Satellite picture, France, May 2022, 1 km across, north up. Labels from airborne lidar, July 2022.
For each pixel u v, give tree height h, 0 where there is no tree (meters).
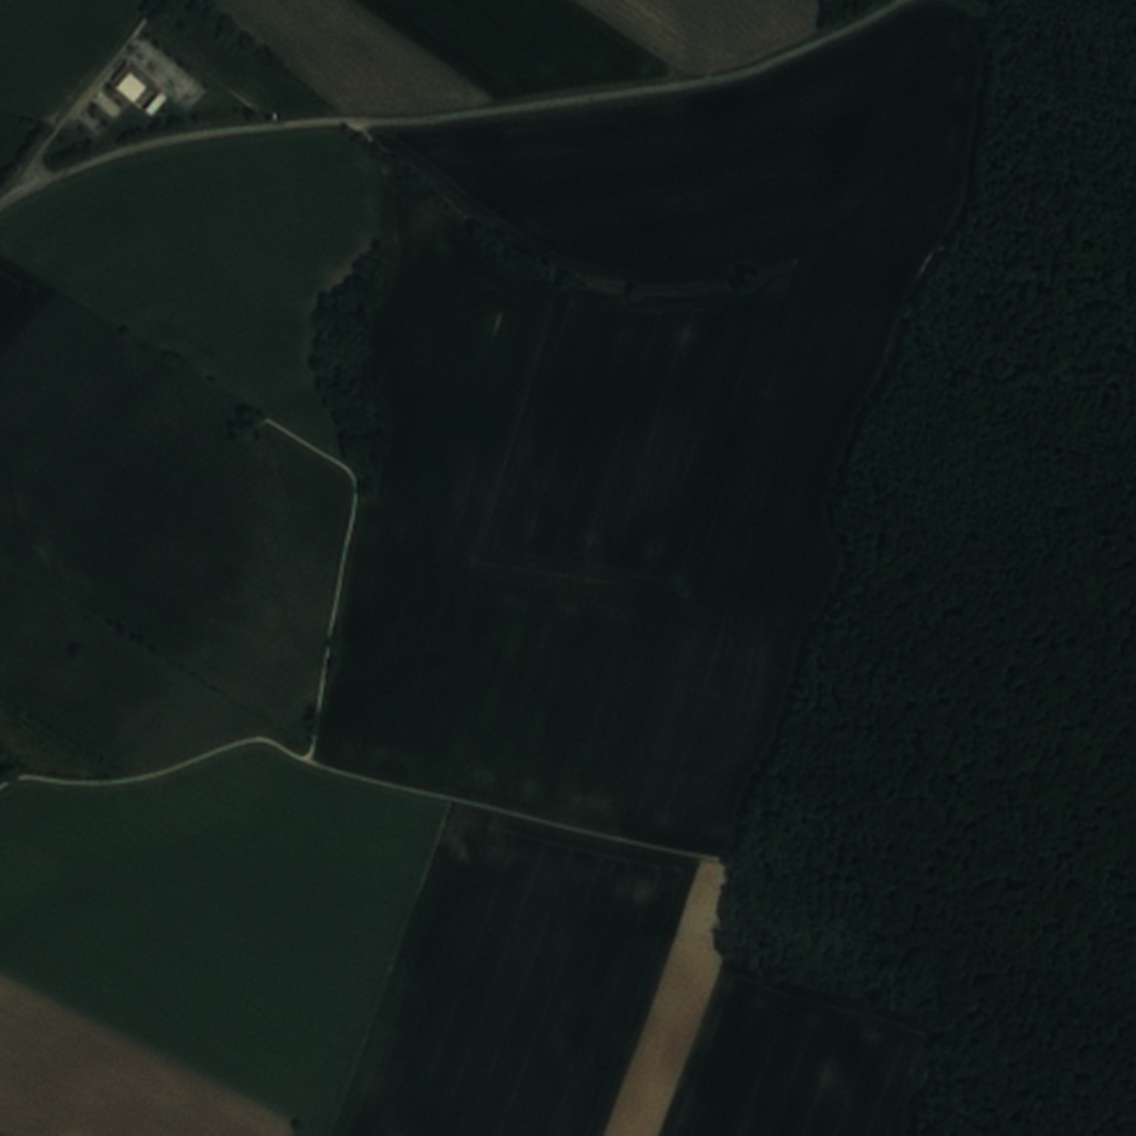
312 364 13
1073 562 24
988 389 19
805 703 17
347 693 0
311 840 0
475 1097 0
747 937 17
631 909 0
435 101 0
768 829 22
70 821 0
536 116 0
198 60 0
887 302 0
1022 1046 28
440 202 9
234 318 0
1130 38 18
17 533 0
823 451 0
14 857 0
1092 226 19
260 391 0
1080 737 24
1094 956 25
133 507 0
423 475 0
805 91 0
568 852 0
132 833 0
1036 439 19
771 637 0
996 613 27
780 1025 0
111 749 0
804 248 0
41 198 0
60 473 0
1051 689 26
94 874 0
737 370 0
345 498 0
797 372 0
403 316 0
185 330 0
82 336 0
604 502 0
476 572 0
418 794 0
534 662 0
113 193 0
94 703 0
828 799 21
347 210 0
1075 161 19
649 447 0
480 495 0
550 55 0
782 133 0
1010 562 21
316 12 0
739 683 0
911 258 0
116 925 0
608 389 0
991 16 16
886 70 0
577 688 0
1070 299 24
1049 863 26
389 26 0
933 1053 18
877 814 27
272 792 0
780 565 0
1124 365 25
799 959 23
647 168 0
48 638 0
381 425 14
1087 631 21
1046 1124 22
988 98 15
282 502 0
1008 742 25
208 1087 0
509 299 0
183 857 0
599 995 0
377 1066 0
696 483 0
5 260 0
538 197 0
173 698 0
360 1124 0
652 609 0
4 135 0
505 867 0
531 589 0
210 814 0
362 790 0
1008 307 26
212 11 17
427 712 0
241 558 0
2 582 0
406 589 0
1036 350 21
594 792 0
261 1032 0
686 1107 0
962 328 19
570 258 0
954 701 20
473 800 0
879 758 20
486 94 0
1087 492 20
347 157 0
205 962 0
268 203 0
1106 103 16
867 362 0
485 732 0
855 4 22
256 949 0
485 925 0
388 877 0
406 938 0
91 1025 0
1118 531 25
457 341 0
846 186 0
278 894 0
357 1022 0
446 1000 0
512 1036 0
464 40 0
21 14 0
